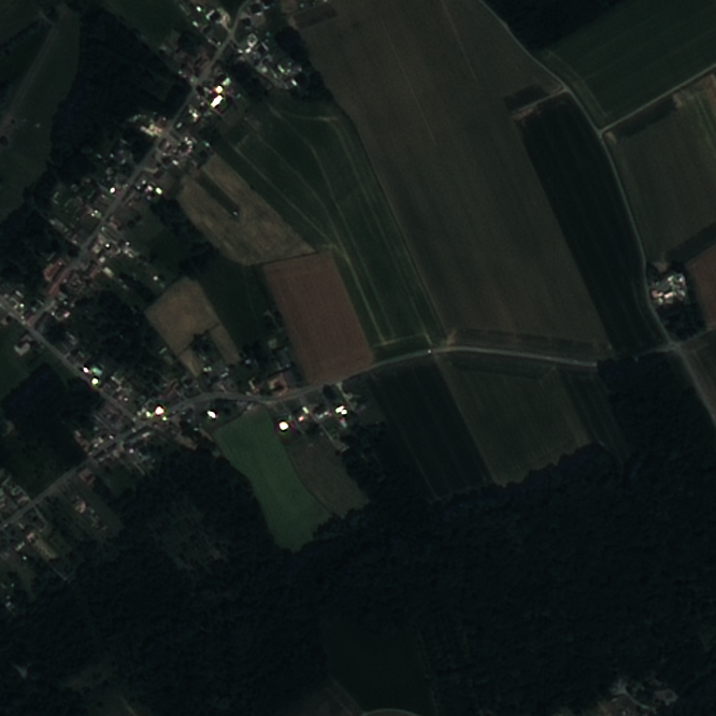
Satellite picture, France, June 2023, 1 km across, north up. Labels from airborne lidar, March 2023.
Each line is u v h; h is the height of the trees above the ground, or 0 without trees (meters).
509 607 20
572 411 0
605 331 0
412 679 0
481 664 16
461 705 6
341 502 0
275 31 0
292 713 0
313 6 0
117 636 15
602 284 0
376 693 0
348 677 0
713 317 0
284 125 0
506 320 0
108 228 0
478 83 0
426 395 0
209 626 21
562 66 0
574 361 0
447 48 0
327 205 0
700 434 17
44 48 0
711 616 7
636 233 0
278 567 20
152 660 17
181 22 0
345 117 0
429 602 17
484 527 22
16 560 0
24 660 20
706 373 0
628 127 0
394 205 0
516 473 0
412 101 0
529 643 24
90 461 0
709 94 0
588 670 17
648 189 0
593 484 24
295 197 0
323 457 0
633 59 0
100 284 0
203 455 18
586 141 0
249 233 0
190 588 20
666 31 0
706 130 0
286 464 0
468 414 0
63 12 0
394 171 0
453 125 0
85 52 13
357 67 0
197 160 0
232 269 0
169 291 0
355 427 16
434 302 0
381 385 0
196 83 0
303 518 0
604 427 0
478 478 0
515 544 28
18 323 0
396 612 22
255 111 0
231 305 0
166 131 0
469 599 19
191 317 0
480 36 0
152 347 7
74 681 0
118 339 7
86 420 13
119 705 0
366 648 0
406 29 0
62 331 10
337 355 0
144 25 0
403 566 26
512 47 0
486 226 0
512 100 0
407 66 0
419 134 0
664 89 0
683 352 0
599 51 0
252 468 0
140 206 0
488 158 0
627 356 0
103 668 0
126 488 0
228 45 0
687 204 0
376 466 10
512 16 12
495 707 8
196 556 0
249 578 20
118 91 20
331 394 16
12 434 0
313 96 8
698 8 0
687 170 0
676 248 0
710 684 21
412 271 0
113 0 0
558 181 0
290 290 0
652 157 0
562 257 0
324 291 0
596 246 0
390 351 0
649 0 0
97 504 0
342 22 0
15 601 9
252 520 21
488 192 0
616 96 0
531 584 19
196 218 0
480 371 0
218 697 22
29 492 0
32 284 10
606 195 0
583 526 24
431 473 0
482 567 21
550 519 25
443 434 0
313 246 0
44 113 0
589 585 18
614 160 0
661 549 25
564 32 10
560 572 22
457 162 0
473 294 0
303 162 0
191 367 0
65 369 0
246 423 0
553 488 22
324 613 16
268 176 0
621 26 0
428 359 0
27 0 0
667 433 20
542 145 0
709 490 21
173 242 0
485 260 0
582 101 0
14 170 0
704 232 0
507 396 0
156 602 17
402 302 0
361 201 0
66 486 0
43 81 0
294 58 16
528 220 0
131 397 0
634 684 7
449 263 0
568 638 12
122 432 0
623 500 27
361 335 0
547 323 0
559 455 0
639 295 0
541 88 0
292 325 0
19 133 0
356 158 0
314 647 22
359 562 19
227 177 0
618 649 17
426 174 0
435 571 24
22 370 0
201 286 0
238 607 22
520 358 0
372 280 0
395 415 0
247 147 0
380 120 0
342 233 0
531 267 0
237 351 0
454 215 0
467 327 0
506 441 0
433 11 0
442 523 25
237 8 0
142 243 0
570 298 0
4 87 14
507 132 0
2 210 0
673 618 17
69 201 0
